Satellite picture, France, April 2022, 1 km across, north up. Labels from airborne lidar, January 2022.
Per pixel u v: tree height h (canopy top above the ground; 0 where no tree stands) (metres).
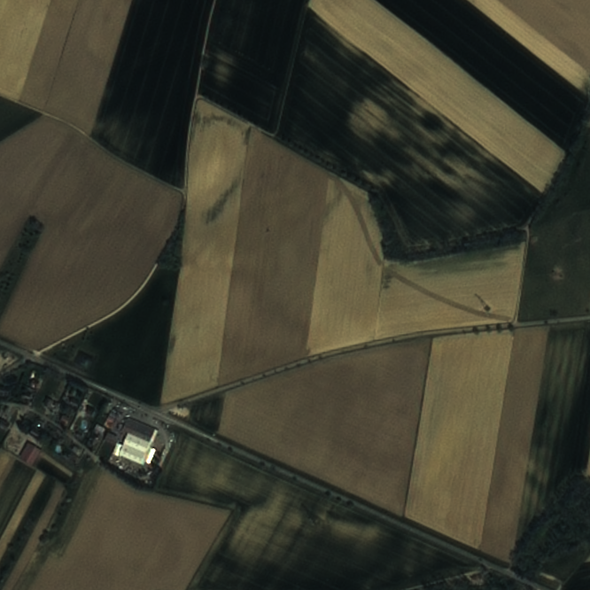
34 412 0
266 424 0
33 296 0
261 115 0
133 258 0
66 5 0
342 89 0
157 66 0
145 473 13
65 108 0
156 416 0
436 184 0
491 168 0
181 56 0
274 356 0
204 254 0
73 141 0
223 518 0
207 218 0
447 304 0
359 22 0
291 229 0
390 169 0
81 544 0
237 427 0
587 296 0
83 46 0
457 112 0
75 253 0
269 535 0
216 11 0
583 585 0
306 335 0
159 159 0
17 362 0
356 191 0
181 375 0
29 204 0
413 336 0
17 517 0
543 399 0
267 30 0
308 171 0
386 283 0
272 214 0
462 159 0
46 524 0
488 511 0
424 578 0
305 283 0
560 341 0
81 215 0
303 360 0
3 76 0
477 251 14
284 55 0
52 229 0
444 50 0
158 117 0
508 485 0
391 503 0
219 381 0
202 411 0
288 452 0
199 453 0
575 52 0
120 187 0
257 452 0
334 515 0
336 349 0
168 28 0
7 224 0
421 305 0
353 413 0
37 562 0
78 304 0
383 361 0
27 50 0
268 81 0
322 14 0
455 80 0
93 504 0
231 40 0
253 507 0
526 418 0
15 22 0
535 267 0
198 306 0
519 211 0
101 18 0
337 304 0
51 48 0
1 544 0
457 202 0
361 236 0
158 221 0
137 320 0
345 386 0
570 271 0
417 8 0
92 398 0
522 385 0
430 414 0
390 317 0
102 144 0
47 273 0
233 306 0
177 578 0
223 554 0
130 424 0
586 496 29
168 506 0
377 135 0
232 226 0
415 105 0
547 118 0
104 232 0
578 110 0
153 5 0
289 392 0
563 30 0
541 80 0
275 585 0
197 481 0
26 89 0
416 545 0
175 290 0
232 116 0
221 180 0
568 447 0
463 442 0
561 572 0
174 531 0
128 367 0
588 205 0
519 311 0
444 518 0
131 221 0
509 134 0
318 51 0
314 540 0
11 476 0
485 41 0
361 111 0
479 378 0
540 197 0
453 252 13
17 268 0
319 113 0
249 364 0
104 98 0
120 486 0
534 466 0
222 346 0
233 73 0
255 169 0
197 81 0
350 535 0
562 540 32
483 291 0
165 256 12
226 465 0
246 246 0
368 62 0
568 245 0
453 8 0
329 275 0
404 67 0
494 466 0
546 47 0
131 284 0
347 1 0
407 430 0
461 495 0
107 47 0
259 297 0
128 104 0
